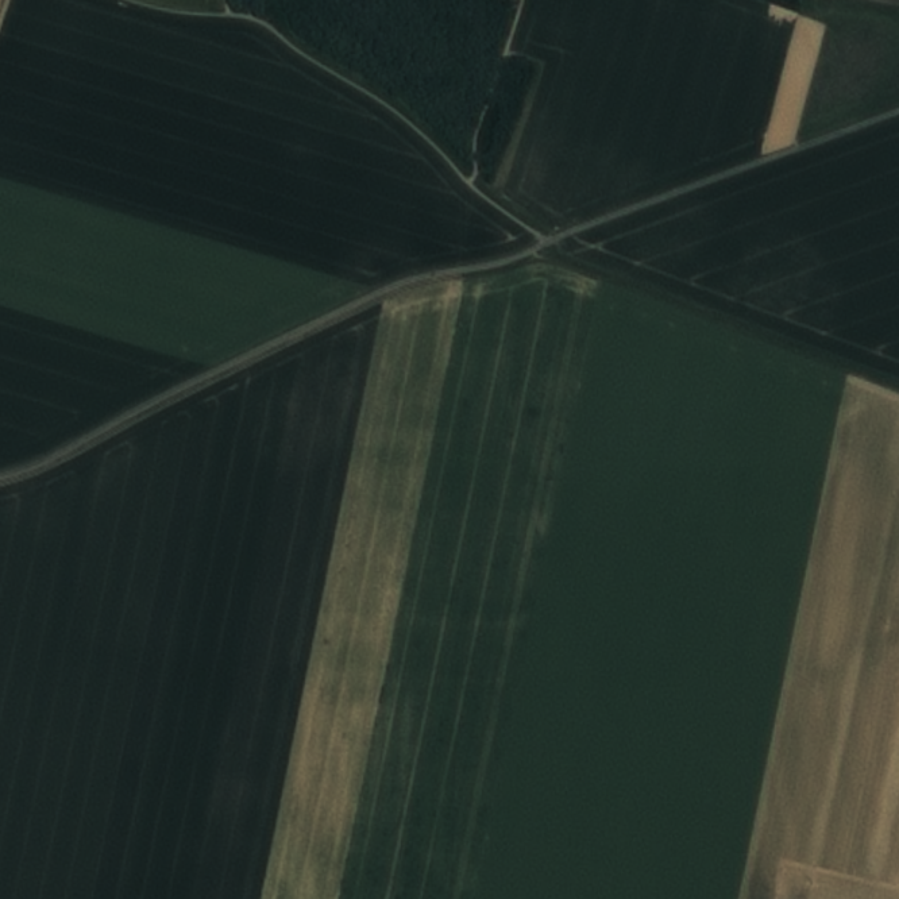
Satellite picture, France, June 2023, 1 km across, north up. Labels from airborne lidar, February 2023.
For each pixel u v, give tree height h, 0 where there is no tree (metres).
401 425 0
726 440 0
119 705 0
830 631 0
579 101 0
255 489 0
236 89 0
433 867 0
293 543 0
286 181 0
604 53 0
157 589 0
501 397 0
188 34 0
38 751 0
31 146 0
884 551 0
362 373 0
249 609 0
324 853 0
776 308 0
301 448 0
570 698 0
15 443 0
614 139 0
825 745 0
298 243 0
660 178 0
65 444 0
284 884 0
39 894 0
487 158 15
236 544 0
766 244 0
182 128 0
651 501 0
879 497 0
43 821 0
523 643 0
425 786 0
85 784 0
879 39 0
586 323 0
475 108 15
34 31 0
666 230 0
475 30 17
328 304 0
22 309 0
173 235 0
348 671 0
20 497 0
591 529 0
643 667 0
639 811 0
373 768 0
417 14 16
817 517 0
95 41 0
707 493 0
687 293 0
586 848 0
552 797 0
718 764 0
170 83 0
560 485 0
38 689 0
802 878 0
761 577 0
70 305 0
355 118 0
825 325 0
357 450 0
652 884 0
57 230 0
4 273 0
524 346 0
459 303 0
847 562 0
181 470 0
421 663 0
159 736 0
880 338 0
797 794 0
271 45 0
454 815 0
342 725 0
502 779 0
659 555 0
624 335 0
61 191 0
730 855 0
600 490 0
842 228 0
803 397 0
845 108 0
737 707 0
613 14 0
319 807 0
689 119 0
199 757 0
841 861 0
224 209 0
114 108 0
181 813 0
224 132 0
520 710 0
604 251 0
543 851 0
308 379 0
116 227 0
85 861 0
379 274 0
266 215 0
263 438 0
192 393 0
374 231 0
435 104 14
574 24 0
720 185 0
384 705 0
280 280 0
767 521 0
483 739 0
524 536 0
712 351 0
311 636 0
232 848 0
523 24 0
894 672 0
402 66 14
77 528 0
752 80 0
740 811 0
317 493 0
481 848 0
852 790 0
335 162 0
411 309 0
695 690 0
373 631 0
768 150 0
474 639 0
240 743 0
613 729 0
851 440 0
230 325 0
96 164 0
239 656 0
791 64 0
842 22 0
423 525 0
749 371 0
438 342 0
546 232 0
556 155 0
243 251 0
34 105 0
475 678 0
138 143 0
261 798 0
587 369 0
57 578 0
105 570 0
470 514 0
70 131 0
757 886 0
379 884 0
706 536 0
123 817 0
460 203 0
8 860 0
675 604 0
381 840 0
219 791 0
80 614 0
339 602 0
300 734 0
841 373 0
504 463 0
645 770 0
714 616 0
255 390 0
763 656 0
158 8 0
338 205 0
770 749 0
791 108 0
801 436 0
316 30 9
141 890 0
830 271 0
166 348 0
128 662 0
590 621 0
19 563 0
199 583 0
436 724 0
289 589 0
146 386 0
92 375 0
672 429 0
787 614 0
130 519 0
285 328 0
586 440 0
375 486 0
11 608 0
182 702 0
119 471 0
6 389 0
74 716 0
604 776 0
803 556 0
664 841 0
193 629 0
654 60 0
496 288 0
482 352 0
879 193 0
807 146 0
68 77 0
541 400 0
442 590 0
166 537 0
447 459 0
